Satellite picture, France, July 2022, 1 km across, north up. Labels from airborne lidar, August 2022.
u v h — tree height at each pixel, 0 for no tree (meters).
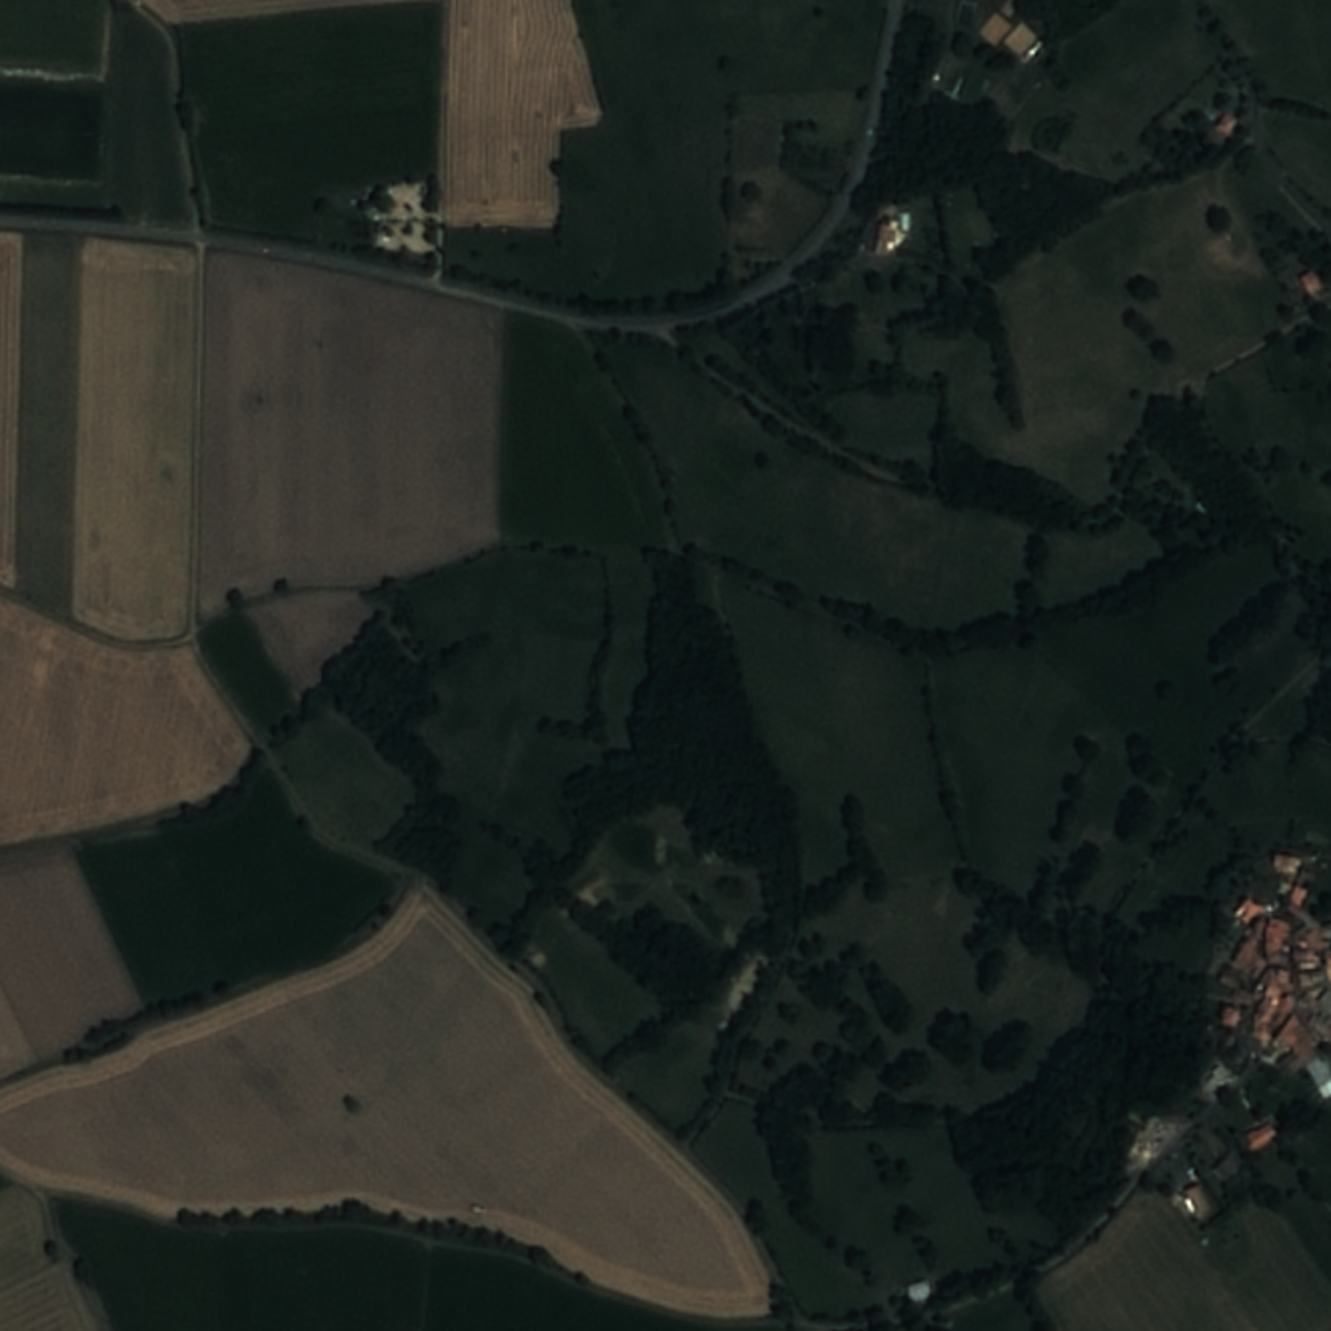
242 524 0
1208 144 14
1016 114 0
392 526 0
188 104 8
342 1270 0
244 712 0
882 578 0
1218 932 8
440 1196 0
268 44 0
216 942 0
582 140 0
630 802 14
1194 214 0
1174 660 0
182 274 0
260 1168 0
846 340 10
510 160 0
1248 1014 8
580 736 7
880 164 9
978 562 0
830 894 14
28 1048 0
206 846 0
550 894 10
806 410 12
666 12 0
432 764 15
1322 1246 0
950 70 0
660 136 0
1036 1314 18
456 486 0
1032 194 12
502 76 0
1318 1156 0
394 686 15
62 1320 0
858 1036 12
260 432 0
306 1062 0
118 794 0
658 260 0
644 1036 14
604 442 0
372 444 0
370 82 0
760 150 0
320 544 0
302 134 0
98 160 0
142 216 0
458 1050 0
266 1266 0
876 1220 0
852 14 0
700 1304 0
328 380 0
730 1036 12
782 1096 18
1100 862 19
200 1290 0
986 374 0
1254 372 0
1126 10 0
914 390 8
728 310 0
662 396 0
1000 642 18
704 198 0
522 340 0
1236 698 8
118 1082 0
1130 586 13
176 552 0
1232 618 0
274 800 0
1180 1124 0
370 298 0
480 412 0
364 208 9
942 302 15
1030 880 0
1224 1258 0
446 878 7
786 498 0
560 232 9
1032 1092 9
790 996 0
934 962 0
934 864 0
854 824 14
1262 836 0
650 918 13
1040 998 0
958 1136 15
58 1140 0
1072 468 0
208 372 0
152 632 0
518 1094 0
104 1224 0
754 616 0
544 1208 0
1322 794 0
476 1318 0
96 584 0
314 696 11
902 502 0
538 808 0
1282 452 8
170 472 0
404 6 0
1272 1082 8
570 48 0
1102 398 0
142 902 0
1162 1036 10
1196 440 14
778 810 13
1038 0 9
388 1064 0
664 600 13
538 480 0
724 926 0
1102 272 0
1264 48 0
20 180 0
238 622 0
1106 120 0
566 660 0
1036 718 0
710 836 14
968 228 0
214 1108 0
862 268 0
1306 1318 0
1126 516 10
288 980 0
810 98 0
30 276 0
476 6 0
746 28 0
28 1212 0
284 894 0
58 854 0
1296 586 11
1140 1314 0
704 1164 0
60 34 0
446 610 0
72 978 0
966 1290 17
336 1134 0
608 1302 0
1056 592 0
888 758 0
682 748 22
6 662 0
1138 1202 0
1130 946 15
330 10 0
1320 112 7
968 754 0
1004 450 0
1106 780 0
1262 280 0
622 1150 0
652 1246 0
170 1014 9
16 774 0
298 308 0
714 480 0
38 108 0
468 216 0
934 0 0
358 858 0
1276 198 0
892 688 0
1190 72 0
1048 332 0
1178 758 0
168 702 0
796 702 0
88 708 0
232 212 0
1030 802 0
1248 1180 7
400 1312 0
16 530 0
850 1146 0
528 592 0
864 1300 0
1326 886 0
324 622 0
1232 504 12
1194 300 0
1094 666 0
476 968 0
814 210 0
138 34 0
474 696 0
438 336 0
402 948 0
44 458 0
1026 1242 0
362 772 0
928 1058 9
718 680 16
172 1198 0
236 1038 0
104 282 0
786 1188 14
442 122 0
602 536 0
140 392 0
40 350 0
